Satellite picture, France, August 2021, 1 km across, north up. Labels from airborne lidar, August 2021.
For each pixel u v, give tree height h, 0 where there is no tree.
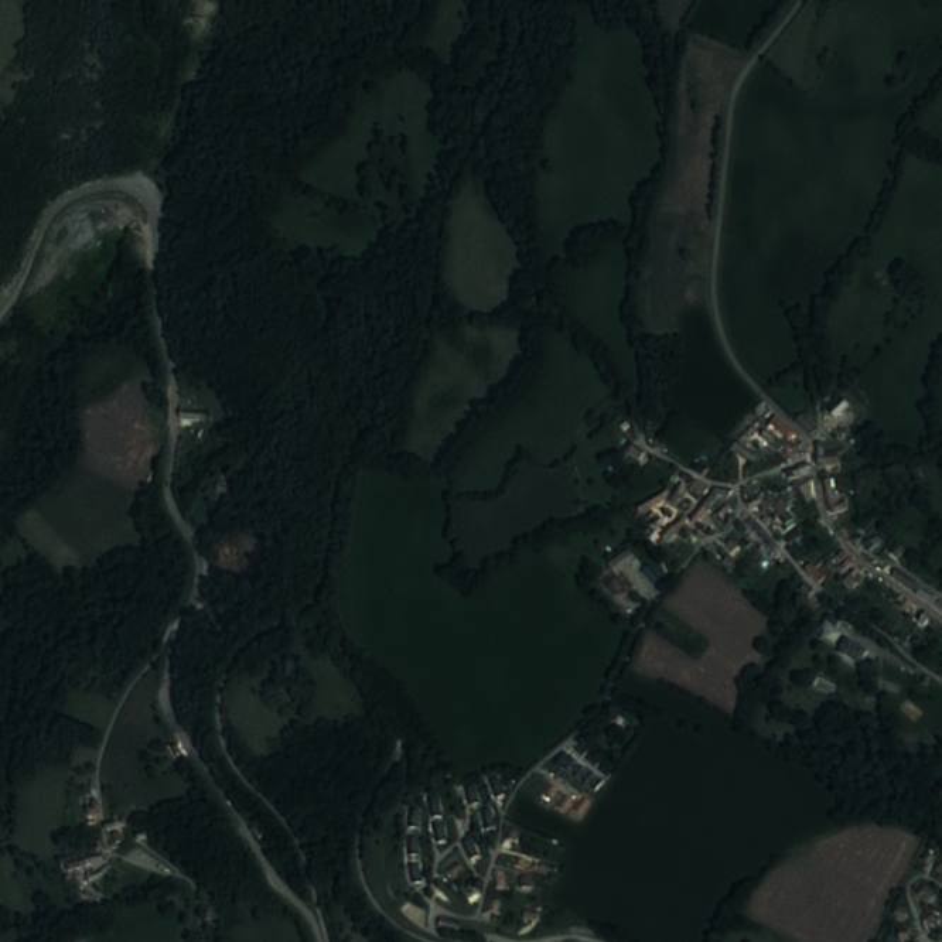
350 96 24
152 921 0
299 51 26
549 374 0
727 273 0
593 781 0
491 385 0
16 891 0
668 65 21
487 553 0
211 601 18
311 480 20
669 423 9
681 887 0
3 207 15
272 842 9
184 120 14
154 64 7
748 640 0
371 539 0
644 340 11
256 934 0
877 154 0
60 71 12
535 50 15
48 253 0
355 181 0
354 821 17
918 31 0
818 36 0
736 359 0
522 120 20
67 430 20
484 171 17
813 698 0
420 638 0
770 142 0
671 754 0
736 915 11
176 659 15
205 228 16
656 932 0
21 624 17
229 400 19
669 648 0
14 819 9
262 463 19
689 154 0
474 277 0
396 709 23
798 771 0
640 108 0
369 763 12
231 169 30
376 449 25
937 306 0
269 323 18
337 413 25
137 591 21
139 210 0
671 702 0
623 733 10
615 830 0
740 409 0
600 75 0
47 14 16
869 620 9
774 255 0
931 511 16
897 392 0
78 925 25
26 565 14
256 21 18
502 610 0
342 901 16
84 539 0
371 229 0
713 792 0
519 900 0
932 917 0
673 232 0
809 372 13
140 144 15
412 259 26
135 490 0
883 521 6
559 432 0
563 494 0
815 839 0
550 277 19
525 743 0
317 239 0
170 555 14
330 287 24
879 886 0
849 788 29
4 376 10
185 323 19
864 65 0
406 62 23
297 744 15
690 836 0
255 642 16
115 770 0
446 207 11
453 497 11
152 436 0
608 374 18
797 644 20
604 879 0
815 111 0
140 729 0
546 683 0
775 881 0
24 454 26
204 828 21
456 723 0
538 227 16
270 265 22
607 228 18
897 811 24
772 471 0
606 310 0
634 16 16
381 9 13
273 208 21
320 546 18
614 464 6
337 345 26
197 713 16
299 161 24
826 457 0
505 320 20
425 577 0
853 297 0
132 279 12
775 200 0
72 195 0
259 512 15
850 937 0
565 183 0
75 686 7
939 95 12
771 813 0
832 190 0
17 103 7
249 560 0
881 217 14
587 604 0
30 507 18
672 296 0
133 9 31
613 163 0
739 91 0
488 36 10
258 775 13
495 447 0
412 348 19
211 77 27
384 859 0
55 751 21
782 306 6
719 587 0
